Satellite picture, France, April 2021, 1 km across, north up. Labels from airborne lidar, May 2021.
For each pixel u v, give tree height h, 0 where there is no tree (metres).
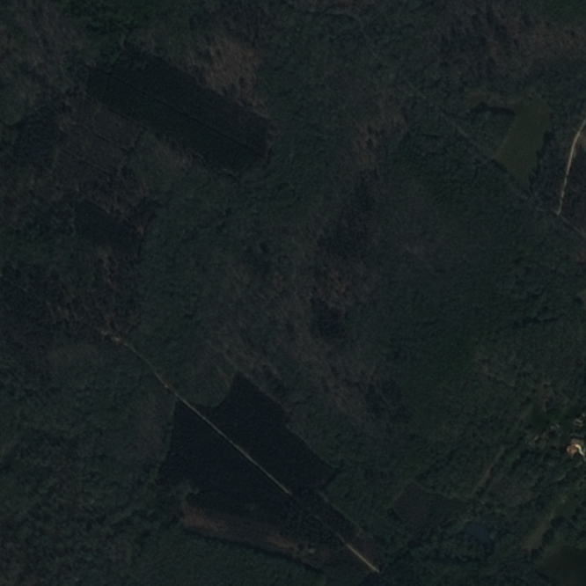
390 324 18
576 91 19
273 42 18
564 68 17
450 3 25
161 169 18
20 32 20
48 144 20
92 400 25
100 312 24
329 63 15
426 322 16
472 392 16
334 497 20
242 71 11
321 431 26
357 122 13
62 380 23
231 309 18
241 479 11
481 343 16
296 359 16
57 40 15
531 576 19
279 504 9
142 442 17
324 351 14
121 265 19
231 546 13
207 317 18
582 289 16
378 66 21
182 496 19
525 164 0
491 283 21
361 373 11
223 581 23
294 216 22
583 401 10
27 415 7
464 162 16
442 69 21
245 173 16
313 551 11
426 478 10
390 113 16
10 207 21
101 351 19
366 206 21
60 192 16
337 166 23
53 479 17
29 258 14
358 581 6
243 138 14
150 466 14
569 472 7
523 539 20
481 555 13
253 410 7
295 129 22
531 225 20
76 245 13
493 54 12
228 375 13
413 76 20
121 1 17
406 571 24
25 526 23
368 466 21
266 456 11
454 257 15
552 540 20
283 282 14
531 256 17
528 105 15
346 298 12
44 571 23
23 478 7
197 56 14
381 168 16
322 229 13
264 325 18
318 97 23
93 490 23
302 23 19
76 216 14
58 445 21
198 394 13
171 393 14
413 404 16
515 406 18
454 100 22
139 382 22
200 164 21
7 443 21
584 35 11
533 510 25
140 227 7
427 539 10
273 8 25
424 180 18
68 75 14
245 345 13
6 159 18
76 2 8
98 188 22
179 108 15
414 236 18
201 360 13
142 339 19
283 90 20
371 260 15
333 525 18
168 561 20
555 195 18
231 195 20
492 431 17
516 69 16
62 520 18
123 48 23
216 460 10
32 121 20
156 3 17
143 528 23
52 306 25
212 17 23
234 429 11
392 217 18
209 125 14
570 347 18
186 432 12
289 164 24
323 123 23
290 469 9
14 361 20
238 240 15
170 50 14
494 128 19
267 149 15
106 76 15
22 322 23
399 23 26
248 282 8
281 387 14
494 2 14
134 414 17
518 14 14
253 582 18
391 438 14
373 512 20
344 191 15
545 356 17
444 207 20
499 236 19
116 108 15
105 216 15
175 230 21
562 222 16
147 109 12
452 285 17
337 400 10
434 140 17
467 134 20
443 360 19
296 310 16
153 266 24
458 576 26
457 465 19
